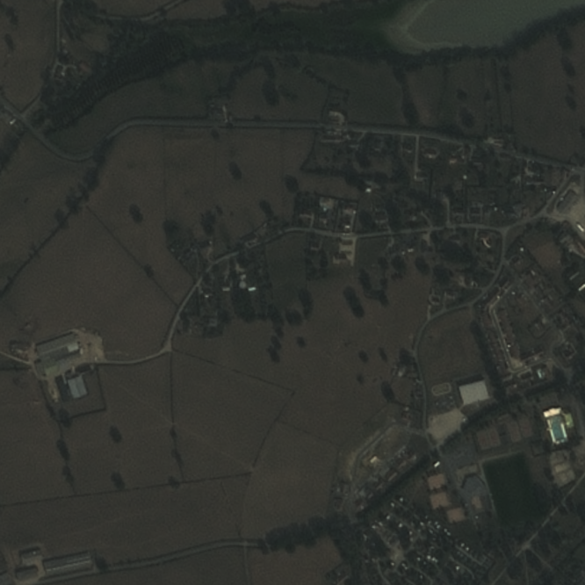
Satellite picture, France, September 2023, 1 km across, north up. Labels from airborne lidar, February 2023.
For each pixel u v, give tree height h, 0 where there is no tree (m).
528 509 0
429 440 0
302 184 0
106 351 0
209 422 0
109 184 0
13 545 0
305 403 0
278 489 0
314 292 0
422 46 0
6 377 0
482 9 0
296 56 0
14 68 0
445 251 18
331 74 0
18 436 0
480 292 0
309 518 0
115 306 0
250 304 9
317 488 0
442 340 0
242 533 0
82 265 0
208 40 0
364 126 0
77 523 0
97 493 0
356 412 0
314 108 0
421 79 0
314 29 0
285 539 19
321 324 0
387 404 0
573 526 0
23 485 0
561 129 0
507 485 0
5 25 0
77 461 0
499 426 0
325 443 0
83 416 0
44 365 0
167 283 0
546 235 0
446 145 0
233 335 0
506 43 0
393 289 0
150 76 11
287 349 0
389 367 0
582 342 14
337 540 20
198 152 0
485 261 0
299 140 0
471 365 0
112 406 0
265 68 18
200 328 0
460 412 0
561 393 20
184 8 0
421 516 10
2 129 0
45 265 0
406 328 0
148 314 0
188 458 0
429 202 11
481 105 0
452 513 0
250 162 0
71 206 20
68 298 0
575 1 0
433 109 0
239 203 0
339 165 0
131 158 0
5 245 0
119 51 6
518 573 17
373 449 0
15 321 0
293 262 0
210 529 0
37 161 0
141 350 0
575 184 0
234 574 0
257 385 0
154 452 0
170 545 0
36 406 0
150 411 0
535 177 0
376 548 18
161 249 0
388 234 0
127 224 0
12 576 0
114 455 0
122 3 0
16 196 0
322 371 0
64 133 0
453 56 9
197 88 0
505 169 0
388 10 0
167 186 0
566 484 0
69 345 0
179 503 0
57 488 0
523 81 0
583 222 0
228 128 9
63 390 0
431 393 0
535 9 0
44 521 0
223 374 0
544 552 18
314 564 0
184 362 0
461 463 0
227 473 0
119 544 0
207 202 0
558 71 0
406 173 19
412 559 10
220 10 0
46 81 15
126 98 0
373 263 0
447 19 0
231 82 10
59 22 0
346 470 0
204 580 0
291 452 0
